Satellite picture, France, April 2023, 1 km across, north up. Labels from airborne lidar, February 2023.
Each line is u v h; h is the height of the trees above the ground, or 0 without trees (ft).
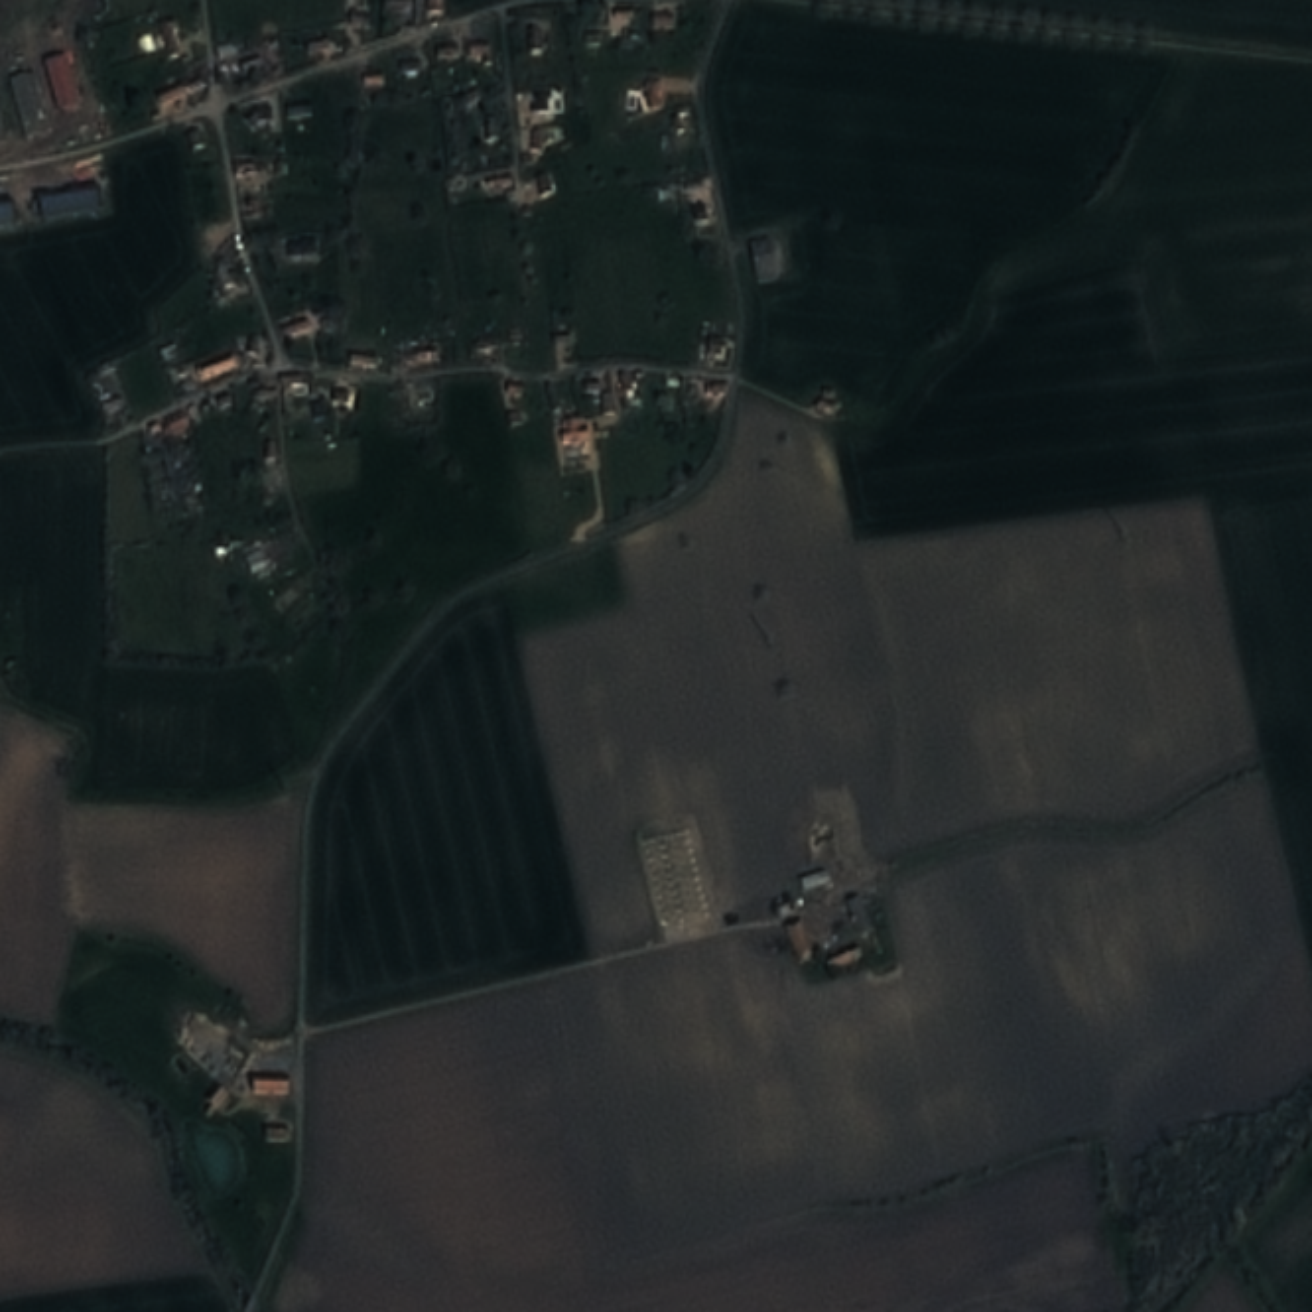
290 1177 0
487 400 0
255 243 35
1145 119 0
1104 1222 0
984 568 0
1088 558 0
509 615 0
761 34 0
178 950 0
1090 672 0
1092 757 0
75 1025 0
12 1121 0
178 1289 0
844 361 0
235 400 24
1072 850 0
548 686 0
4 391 0
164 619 0
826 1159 0
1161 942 0
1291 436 0
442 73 0
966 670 0
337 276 0
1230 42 0
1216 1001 0
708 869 0
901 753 0
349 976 0
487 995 0
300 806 0
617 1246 0
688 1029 0
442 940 0
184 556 0
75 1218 0
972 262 0
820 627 0
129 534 0
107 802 0
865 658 0
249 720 0
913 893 0
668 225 0
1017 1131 0
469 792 0
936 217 0
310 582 0
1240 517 0
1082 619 0
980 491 0
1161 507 0
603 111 0
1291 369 0
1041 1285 0
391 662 0
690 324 0
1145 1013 0
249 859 0
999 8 31
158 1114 48
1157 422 0
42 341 0
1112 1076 0
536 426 0
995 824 0
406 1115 0
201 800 0
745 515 0
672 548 0
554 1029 0
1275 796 0
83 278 0
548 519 0
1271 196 0
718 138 0
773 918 0
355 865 0
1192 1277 42
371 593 34
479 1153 0
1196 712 0
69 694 0
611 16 0
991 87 0
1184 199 0
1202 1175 24
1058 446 0
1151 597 0
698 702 0
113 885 0
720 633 0
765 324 0
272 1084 0
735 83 0
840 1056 0
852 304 0
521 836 0
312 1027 0
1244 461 0
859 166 0
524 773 0
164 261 0
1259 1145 24
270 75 37
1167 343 0
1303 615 0
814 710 0
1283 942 0
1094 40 26
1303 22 0
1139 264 0
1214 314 0
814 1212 0
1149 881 0
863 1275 0
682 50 0
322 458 0
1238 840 0
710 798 0
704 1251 0
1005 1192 0
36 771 0
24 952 0
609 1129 0
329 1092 0
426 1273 0
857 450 0
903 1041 0
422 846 0
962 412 0
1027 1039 0
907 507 0
